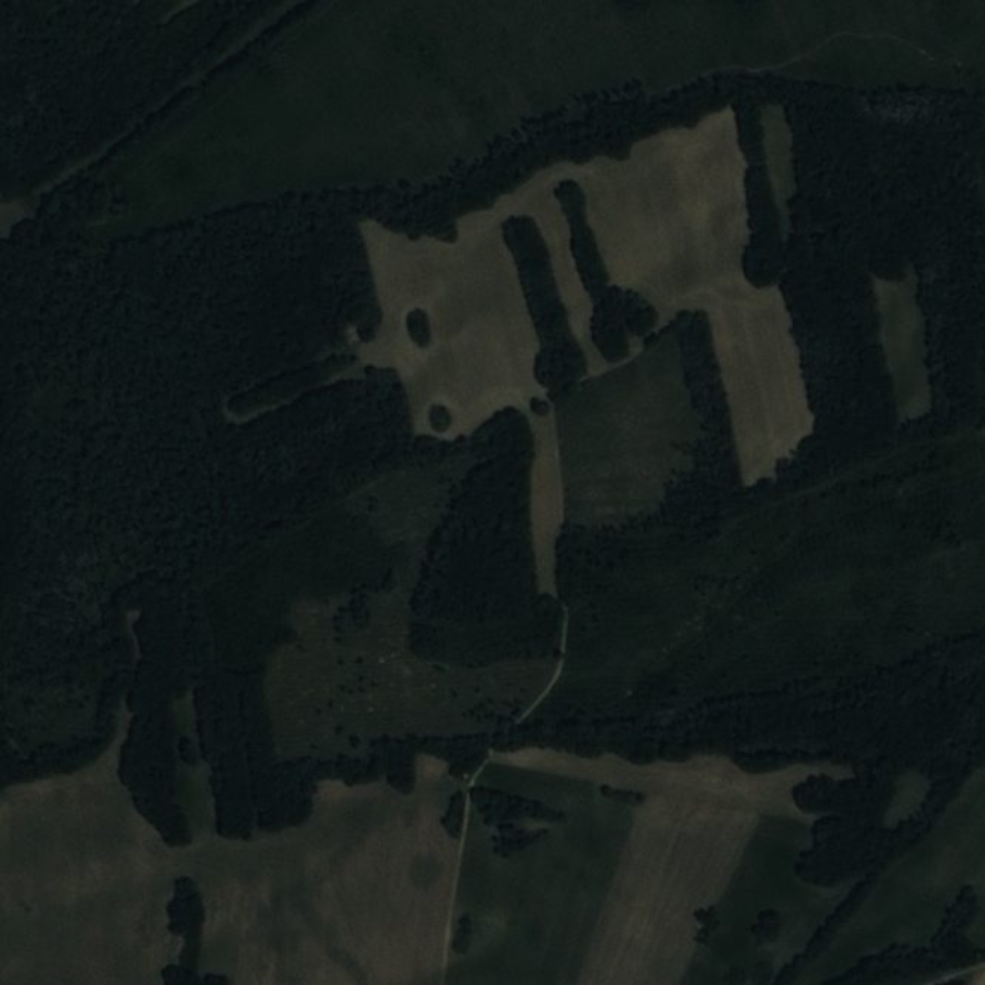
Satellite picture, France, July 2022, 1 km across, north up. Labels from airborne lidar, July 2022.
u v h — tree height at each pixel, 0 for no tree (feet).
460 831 31
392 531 0
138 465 50
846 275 61
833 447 46
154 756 56
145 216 0
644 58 0
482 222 0
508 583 74
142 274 57
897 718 74
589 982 0
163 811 64
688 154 0
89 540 52
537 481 0
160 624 57
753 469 0
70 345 46
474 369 0
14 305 73
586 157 54
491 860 0
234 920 0
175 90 44
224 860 0
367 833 0
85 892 0
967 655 60
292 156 0
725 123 0
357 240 47
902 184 62
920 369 0
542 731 63
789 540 32
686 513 39
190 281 55
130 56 37
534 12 0
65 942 0
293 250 47
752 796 0
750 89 61
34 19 59
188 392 50
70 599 61
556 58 0
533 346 0
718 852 0
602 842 0
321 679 0
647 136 43
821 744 84
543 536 0
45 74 52
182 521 55
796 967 33
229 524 72
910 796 0
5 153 68
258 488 64
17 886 0
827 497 39
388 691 0
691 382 55
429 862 0
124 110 60
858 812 50
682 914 0
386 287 0
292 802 64
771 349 0
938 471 29
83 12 44
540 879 0
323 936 0
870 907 0
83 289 46
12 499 60
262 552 53
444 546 91
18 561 56
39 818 0
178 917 62
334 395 65
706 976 0
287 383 61
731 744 57
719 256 0
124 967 0
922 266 57
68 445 46
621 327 44
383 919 0
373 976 0
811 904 0
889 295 0
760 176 56
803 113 56
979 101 49
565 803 0
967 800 0
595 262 53
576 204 46
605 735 75
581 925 0
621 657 0
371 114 0
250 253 52
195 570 69
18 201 24
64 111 47
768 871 0
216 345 46
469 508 83
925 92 47
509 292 0
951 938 46
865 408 57
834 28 0
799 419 0
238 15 60
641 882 0
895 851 51
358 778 57
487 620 60
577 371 53
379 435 61
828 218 35
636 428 0
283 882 0
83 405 59
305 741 0
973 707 73
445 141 0
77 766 54
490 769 0
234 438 49
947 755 74
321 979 0
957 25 0
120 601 67
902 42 0
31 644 42
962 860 0
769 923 46
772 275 66
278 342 54
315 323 50
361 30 0
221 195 0
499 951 0
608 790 37
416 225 47
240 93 0
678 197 0
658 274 0
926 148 47
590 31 0
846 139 62
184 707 0
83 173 27
